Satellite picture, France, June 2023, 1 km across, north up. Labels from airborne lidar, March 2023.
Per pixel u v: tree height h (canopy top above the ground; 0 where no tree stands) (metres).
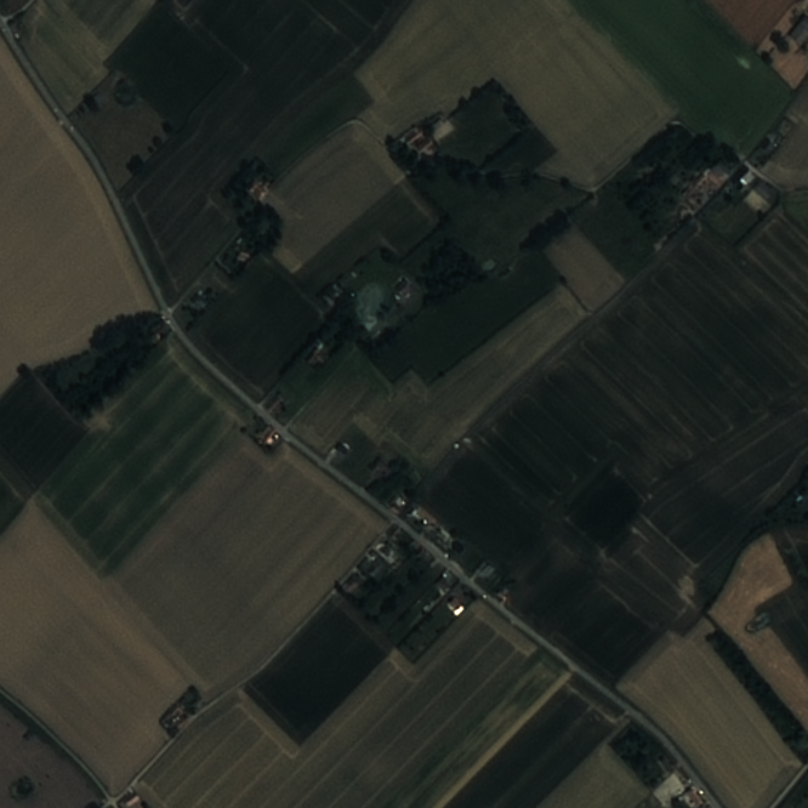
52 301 0
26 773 0
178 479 0
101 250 0
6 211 0
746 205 0
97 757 0
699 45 0
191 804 0
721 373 0
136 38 0
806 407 0
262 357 0
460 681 0
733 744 0
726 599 0
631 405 0
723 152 11
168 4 0
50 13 0
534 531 0
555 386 0
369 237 0
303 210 0
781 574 0
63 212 0
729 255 0
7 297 0
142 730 0
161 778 0
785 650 0
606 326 0
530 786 0
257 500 0
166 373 0
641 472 0
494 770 0
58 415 0
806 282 0
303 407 0
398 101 0
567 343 0
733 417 0
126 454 0
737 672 9
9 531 0
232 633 0
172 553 0
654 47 0
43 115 0
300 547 0
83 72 0
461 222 0
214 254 0
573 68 0
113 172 0
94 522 0
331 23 0
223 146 0
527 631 0
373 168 0
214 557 0
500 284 0
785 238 0
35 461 0
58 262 0
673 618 0
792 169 0
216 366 0
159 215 0
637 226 0
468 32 0
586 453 0
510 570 0
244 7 0
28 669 0
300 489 0
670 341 0
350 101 0
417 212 0
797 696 0
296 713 0
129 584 0
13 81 0
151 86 0
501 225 0
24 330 0
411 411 0
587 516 0
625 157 0
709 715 0
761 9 0
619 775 0
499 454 0
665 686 0
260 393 0
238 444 0
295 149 0
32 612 0
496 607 0
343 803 0
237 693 0
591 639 0
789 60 0
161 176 0
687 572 0
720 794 0
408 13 0
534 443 0
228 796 0
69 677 0
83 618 0
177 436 0
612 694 0
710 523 0
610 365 0
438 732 0
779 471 0
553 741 0
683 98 0
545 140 0
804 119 0
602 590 0
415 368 0
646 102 0
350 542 0
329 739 0
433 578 0
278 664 0
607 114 0
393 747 0
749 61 0
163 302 0
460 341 0
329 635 0
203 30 0
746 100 0
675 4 0
